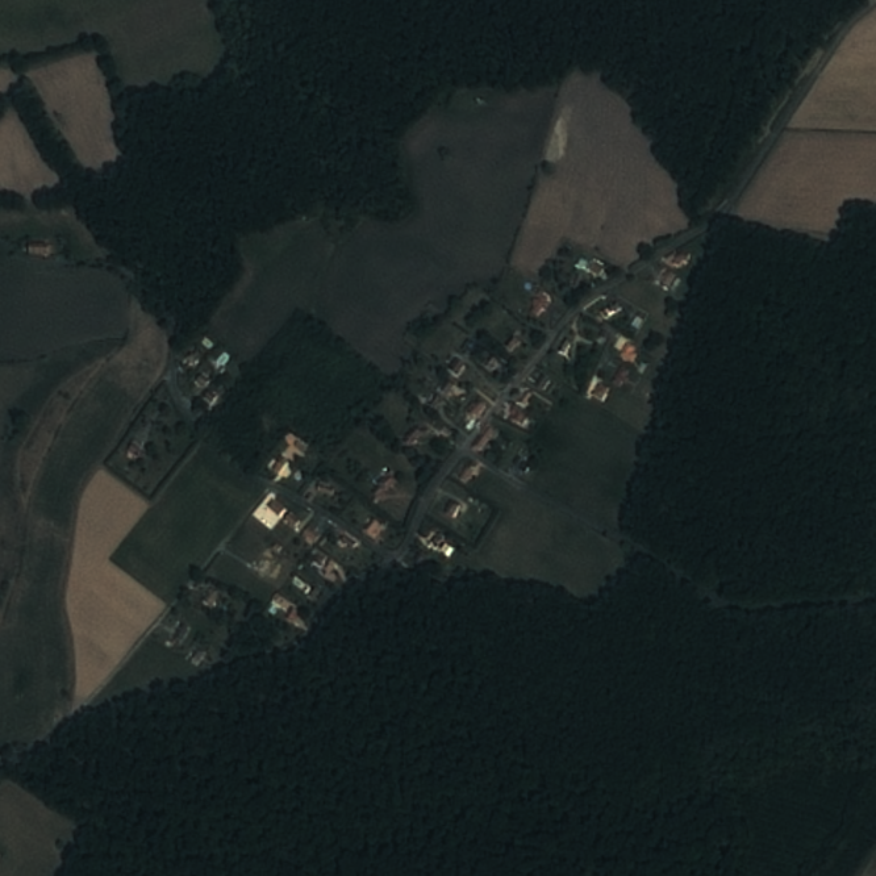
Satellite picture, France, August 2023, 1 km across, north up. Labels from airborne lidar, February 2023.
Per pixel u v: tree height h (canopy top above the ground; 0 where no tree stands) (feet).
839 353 70
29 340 0
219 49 0
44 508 0
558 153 0
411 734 86
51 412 0
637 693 66
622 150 0
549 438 0
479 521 0
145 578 0
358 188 72
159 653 0
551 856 76
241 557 0
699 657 53
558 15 86
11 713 0
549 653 79
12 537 0
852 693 88
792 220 0
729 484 73
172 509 0
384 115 62
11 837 0
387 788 87
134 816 85
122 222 79
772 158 0
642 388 0
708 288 76
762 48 73
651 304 0
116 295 0
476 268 0
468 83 66
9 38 0
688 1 76
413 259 0
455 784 87
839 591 55
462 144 0
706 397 85
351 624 66
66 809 66
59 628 0
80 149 0
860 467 69
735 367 82
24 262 0
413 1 81
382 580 45
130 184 82
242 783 78
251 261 0
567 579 0
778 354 52
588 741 72
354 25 74
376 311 0
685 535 75
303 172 80
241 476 0
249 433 19
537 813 83
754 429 76
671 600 67
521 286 0
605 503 0
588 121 0
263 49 77
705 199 69
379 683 75
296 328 20
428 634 73
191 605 29
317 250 0
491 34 87
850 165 0
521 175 0
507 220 0
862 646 63
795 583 62
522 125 0
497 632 78
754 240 69
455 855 85
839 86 0
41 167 0
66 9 0
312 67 77
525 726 70
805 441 73
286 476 0
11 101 45
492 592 75
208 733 70
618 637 75
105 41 41
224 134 82
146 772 71
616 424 0
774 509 65
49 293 0
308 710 76
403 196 21
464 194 0
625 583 74
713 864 54
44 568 0
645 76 81
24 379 0
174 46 0
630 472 0
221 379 29
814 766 25
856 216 71
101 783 73
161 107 73
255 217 80
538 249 0
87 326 0
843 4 68
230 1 61
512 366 29
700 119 89
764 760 66
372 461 0
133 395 0
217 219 75
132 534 0
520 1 86
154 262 74
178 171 78
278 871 84
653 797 78
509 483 0
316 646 63
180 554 0
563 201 0
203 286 72
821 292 79
